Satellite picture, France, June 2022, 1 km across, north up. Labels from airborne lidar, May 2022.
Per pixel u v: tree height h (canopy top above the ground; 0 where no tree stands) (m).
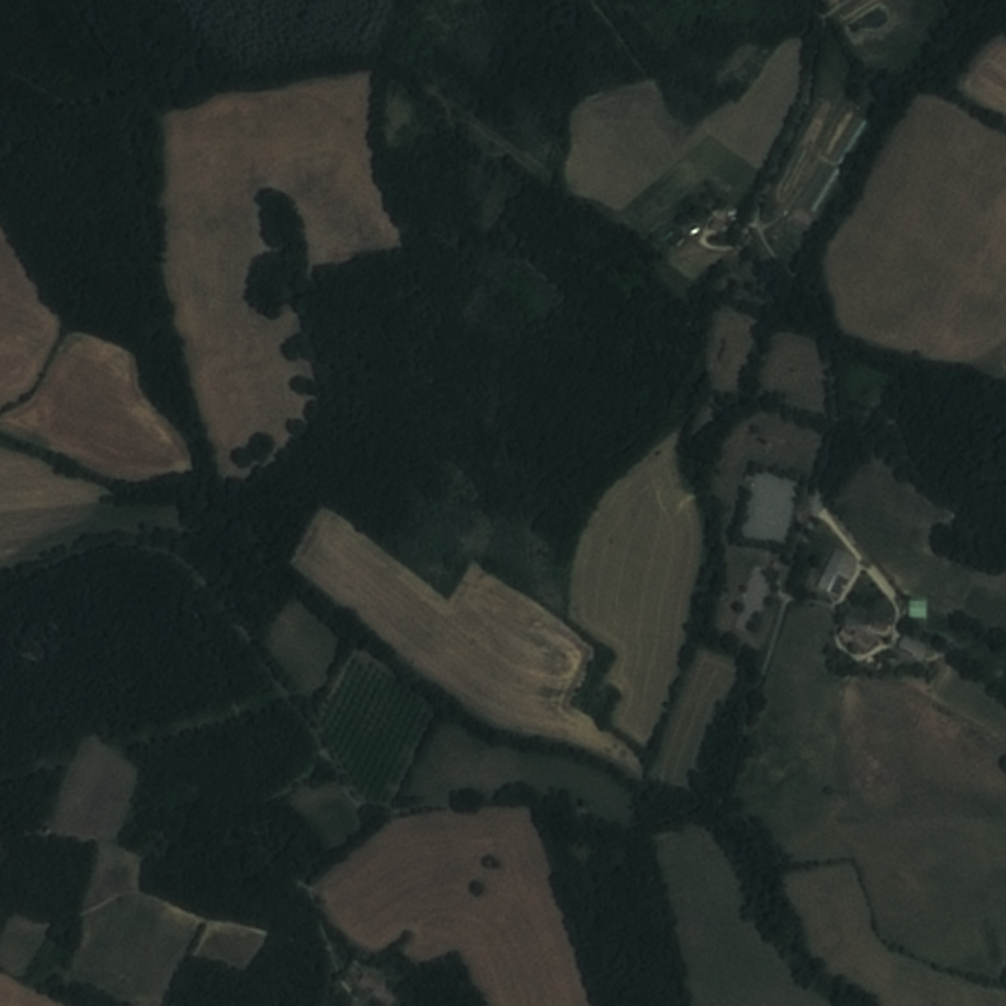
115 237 17
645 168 0
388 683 7
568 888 12
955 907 0
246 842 14
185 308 0
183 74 15
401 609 0
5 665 21
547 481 12
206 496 14
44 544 0
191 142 0
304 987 15
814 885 0
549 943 0
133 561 17
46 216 16
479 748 0
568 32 17
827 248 12
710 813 20
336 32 19
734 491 0
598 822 17
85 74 6
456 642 0
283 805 12
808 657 0
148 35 19
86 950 0
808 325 18
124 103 24
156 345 23
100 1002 11
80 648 20
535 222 17
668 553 0
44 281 18
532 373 13
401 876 0
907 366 16
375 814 19
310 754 11
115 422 0
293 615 0
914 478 15
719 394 12
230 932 0
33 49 7
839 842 0
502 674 0
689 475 7
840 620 11
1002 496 16
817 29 18
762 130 0
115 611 18
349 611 17
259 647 19
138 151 23
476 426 12
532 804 11
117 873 0
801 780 0
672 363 16
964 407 22
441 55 15
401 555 9
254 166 0
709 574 19
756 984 0
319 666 0
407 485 11
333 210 0
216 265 0
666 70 8
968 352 0
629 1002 18
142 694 18
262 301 19
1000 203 0
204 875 15
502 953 0
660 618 0
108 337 8
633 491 0
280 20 18
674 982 17
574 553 11
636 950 13
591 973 16
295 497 14
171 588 21
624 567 0
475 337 18
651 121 0
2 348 0
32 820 11
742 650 8
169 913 0
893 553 0
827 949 0
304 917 13
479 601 0
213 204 0
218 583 19
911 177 0
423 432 14
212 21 16
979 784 0
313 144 0
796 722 0
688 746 0
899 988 0
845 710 0
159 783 11
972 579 0
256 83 17
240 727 17
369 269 19
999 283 0
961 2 18
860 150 9
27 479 0
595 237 10
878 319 0
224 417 0
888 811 0
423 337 14
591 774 0
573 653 0
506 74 14
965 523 14
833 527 0
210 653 20
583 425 19
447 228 17
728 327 0
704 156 0
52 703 18
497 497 11
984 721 0
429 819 0
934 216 0
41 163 18
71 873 14
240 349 0
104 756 0
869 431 11
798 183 0
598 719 11
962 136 0
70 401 0
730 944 0
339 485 14
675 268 0
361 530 12
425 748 14
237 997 19
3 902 15
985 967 0
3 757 16
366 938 0
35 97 7
